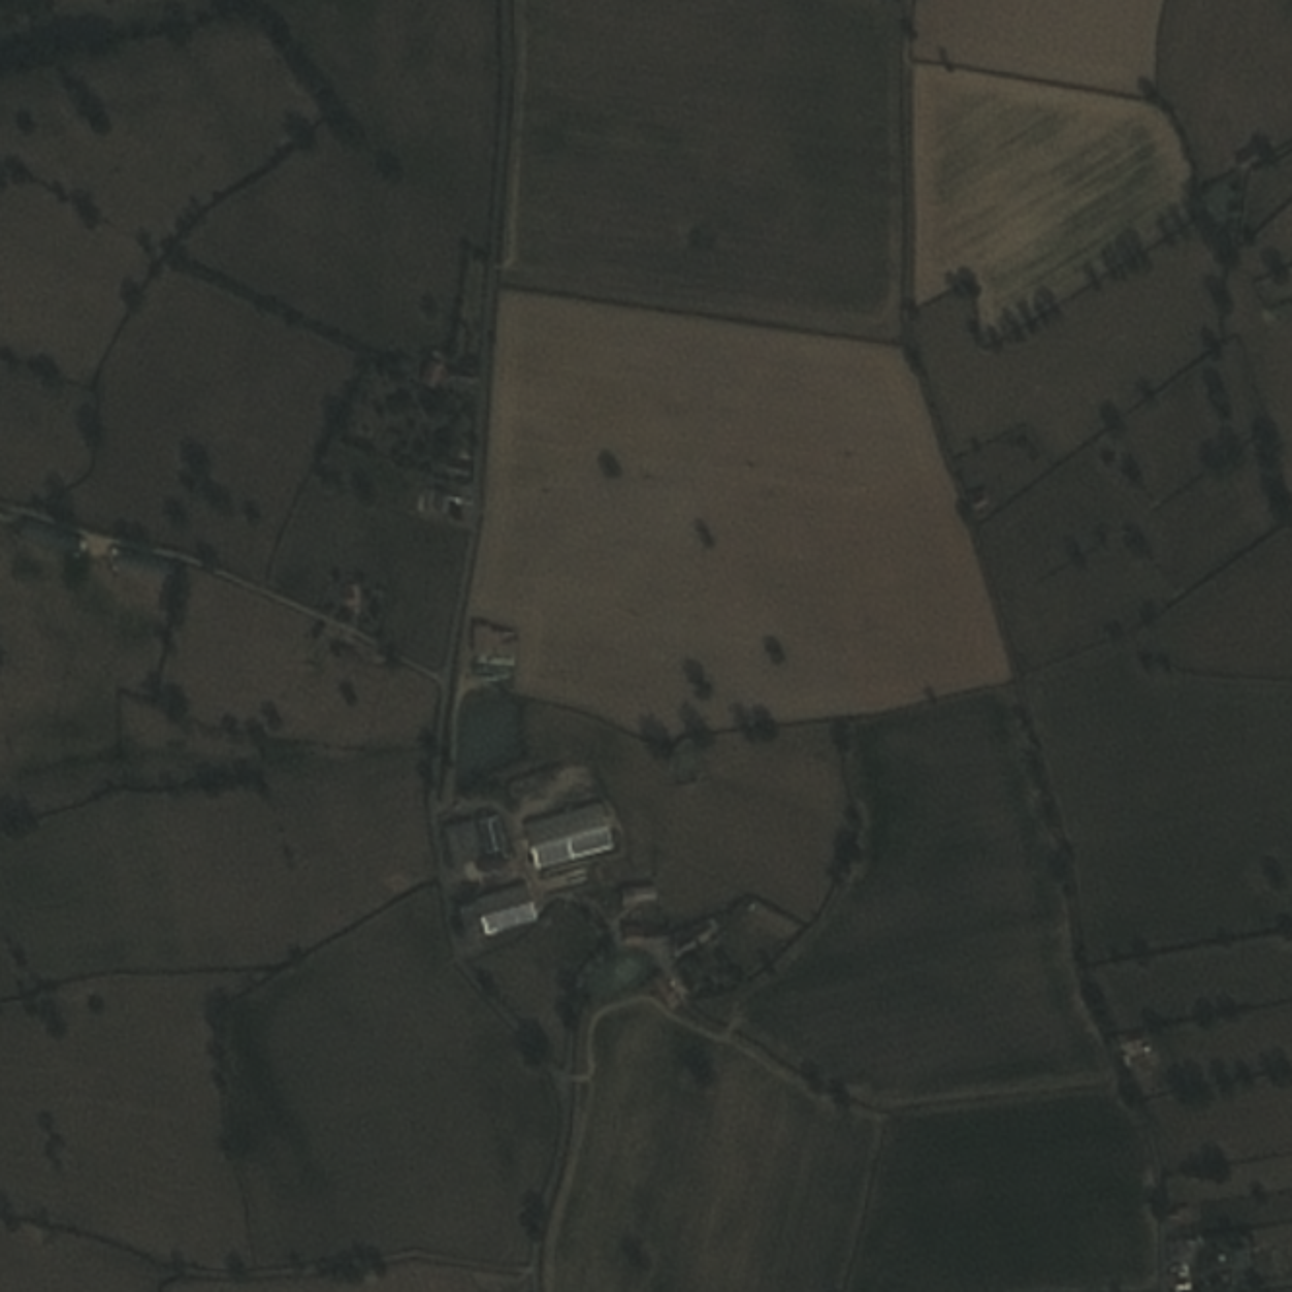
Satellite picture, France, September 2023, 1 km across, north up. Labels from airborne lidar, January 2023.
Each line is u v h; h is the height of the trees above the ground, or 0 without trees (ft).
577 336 0
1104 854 0
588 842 0
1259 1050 0
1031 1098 0
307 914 0
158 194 0
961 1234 0
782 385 0
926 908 0
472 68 0
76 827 0
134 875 0
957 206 0
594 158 0
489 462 0
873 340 0
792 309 0
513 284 0
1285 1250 0
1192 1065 0
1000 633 0
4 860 0
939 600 0
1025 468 0
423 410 27
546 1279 0
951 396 0
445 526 0
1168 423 0
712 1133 0
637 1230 0
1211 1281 17
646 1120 0
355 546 0
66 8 0
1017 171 0
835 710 0
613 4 0
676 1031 0
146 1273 0
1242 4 0
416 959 0
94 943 0
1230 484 0
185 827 0
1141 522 0
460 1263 0
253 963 0
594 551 0
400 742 0
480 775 28
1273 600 0
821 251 0
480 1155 0
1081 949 26
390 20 0
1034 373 0
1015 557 0
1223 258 63
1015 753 0
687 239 0
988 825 0
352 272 0
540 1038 56
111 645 0
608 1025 0
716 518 0
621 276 0
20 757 0
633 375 0
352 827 0
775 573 0
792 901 0
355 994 0
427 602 0
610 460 35
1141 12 0
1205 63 0
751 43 0
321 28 0
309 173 0
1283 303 0
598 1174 0
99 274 0
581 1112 0
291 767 0
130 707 0
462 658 0
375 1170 0
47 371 55
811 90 0
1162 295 0
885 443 0
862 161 0
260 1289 0
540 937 0
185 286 0
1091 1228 0
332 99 46
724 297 0
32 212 0
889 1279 0
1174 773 0
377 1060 0
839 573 0
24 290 0
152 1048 0
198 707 0
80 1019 0
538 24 0
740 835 0
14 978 0
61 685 0
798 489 0
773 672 0
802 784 0
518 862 0
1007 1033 0
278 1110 0
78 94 52
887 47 0
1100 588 0
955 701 0
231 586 0
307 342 0
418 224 0
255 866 0
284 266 0
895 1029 0
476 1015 0
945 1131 0
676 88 0
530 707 0
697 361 0
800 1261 0
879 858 0
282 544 0
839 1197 0
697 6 0
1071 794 0
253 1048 0
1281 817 0
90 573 0
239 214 0
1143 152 0
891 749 0
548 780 0
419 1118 0
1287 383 0
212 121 0
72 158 0
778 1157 0
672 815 0
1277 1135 0
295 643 0
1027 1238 0
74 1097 0
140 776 0
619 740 0
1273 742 0
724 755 0
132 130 0
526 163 0
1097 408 0
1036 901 0
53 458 0
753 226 0
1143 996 0
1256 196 0
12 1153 0
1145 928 0
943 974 0
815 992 0
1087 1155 0
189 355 0
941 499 0
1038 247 0
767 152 0
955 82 0
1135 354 0
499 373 0
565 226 0
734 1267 0
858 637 0
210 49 0
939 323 0
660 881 0
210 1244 0
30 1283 0
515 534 0
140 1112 0
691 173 0
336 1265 27
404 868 0
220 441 0
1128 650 0
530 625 0
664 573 0
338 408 48
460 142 0
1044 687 0
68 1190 0
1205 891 0
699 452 0
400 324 0
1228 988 0
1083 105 0
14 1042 0
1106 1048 20
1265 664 0
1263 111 0
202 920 0
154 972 0
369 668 0
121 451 0
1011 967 0
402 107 0
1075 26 0
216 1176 0
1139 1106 43
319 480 35
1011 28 0
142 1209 0
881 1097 0
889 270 0
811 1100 0
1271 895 0
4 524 0
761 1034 0
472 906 0
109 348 0
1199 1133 0
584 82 0
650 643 0
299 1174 0
